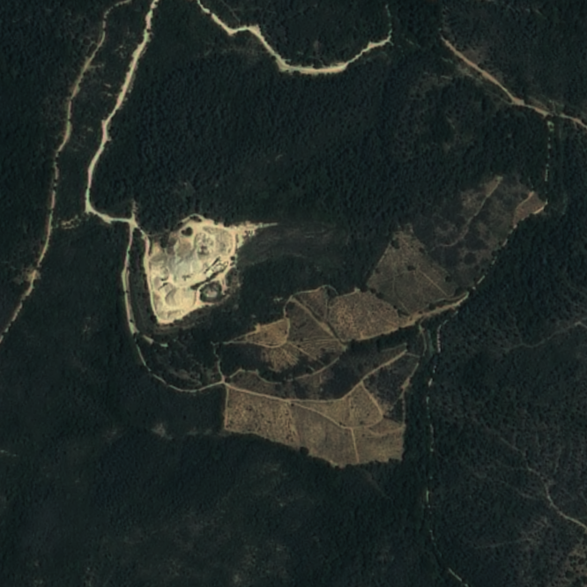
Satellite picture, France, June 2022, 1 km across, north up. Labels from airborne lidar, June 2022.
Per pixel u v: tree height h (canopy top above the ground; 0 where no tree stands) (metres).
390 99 19
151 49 9
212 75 19
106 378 13
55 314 9
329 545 15
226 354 9
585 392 17
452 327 17
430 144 8
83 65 6
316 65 9
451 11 17
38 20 16
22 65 18
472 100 18
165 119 15
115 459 15
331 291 10
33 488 8
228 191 8
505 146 19
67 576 9
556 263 20
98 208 11
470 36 10
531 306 18
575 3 7
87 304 7
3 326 11
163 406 7
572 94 16
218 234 0
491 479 16
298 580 10
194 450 11
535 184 17
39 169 9
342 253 7
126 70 7
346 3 10
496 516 11
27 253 7
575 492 11
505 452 12
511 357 9
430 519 10
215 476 14
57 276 8
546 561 6
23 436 9
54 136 8
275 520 11
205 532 7
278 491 10
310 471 9
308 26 17
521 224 8
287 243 0
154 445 14
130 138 11
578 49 6
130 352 6
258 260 7
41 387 6
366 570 8
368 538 13
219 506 8
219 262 0
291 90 18
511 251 19
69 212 9
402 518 12
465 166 15
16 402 6
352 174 20
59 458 9
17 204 12
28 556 8
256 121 16
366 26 15
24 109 9
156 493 6
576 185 7
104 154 9
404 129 16
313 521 10
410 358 6
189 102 20
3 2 12
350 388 6
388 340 13
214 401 7
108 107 6
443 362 21
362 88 19
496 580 13
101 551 9
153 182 17
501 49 6
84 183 6
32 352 7
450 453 13
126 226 9
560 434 16
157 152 20
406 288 0
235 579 0
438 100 16
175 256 0
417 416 18
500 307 20
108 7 11
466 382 11
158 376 7
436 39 19
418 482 14
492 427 21
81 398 14
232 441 11
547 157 9
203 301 7
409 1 15
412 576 8
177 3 9
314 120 17
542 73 12
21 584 6
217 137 18
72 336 5
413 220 14
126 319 7
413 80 20
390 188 21
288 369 6
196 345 10
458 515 13
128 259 0
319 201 14
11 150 7
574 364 8
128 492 13
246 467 13
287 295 6
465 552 15
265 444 9
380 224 9
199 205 16
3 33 13
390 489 14
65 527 8
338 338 0
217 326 7
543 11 11
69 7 8
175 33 9
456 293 6
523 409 20
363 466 6
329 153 20
